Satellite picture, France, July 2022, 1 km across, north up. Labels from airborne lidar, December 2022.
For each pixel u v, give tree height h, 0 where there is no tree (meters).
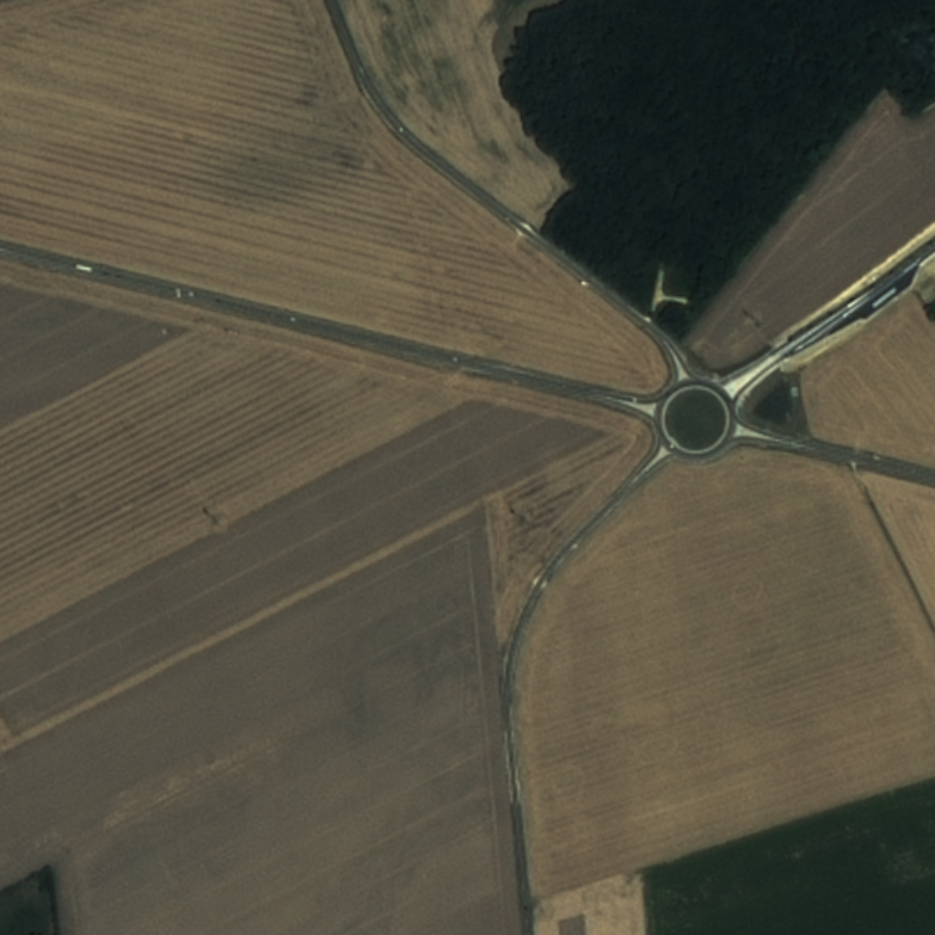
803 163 12
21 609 0
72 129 0
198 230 0
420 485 0
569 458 0
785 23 19
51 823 0
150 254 0
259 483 0
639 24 20
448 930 0
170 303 0
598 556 0
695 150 17
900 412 0
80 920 0
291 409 0
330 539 0
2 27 0
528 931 0
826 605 0
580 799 0
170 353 0
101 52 0
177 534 0
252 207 0
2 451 0
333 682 0
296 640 0
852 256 0
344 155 0
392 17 0
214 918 0
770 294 0
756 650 0
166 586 0
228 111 0
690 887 0
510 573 0
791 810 0
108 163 0
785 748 0
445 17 0
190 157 0
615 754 0
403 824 0
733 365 0
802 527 0
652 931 0
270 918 0
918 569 0
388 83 0
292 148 0
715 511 0
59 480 0
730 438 0
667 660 0
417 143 0
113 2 0
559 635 0
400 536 0
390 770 0
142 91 0
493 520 0
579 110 19
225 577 0
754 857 0
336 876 0
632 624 0
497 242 0
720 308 0
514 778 0
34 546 0
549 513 0
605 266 17
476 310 0
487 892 0
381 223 0
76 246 0
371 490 0
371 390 0
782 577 0
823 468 0
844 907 0
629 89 23
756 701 0
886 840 0
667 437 0
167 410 0
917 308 0
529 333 0
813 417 0
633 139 18
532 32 16
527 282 0
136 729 0
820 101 16
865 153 0
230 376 0
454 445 0
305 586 0
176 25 0
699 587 0
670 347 0
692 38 19
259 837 0
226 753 0
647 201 18
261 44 0
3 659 0
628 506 0
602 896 0
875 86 21
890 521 0
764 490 0
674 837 0
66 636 0
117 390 0
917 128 0
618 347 0
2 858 0
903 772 0
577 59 22
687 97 20
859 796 0
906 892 0
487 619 0
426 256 0
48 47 0
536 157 0
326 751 0
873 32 19
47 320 0
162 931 0
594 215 17
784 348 0
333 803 0
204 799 0
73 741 0
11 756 0
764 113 22
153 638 0
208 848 0
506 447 0
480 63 0
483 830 0
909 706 0
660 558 0
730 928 0
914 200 0
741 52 21
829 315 0
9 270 0
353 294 0
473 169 0
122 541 0
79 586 0
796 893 0
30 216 0
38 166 0
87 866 0
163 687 0
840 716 0
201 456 0
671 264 18
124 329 0
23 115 0
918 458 0
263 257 0
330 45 0
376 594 0
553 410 0
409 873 0
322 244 0
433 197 0
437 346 0
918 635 0
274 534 0
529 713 0
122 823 0
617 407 0
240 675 0
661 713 0
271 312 0
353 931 0
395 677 0
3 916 0
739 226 16
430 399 0
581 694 0
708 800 0
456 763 0
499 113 0
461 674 0
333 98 0
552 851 0
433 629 0
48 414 0
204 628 0
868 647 0
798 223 0
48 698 0
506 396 0
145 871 0
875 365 0
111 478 0
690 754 0
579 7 19
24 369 0
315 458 0
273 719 0
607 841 0
